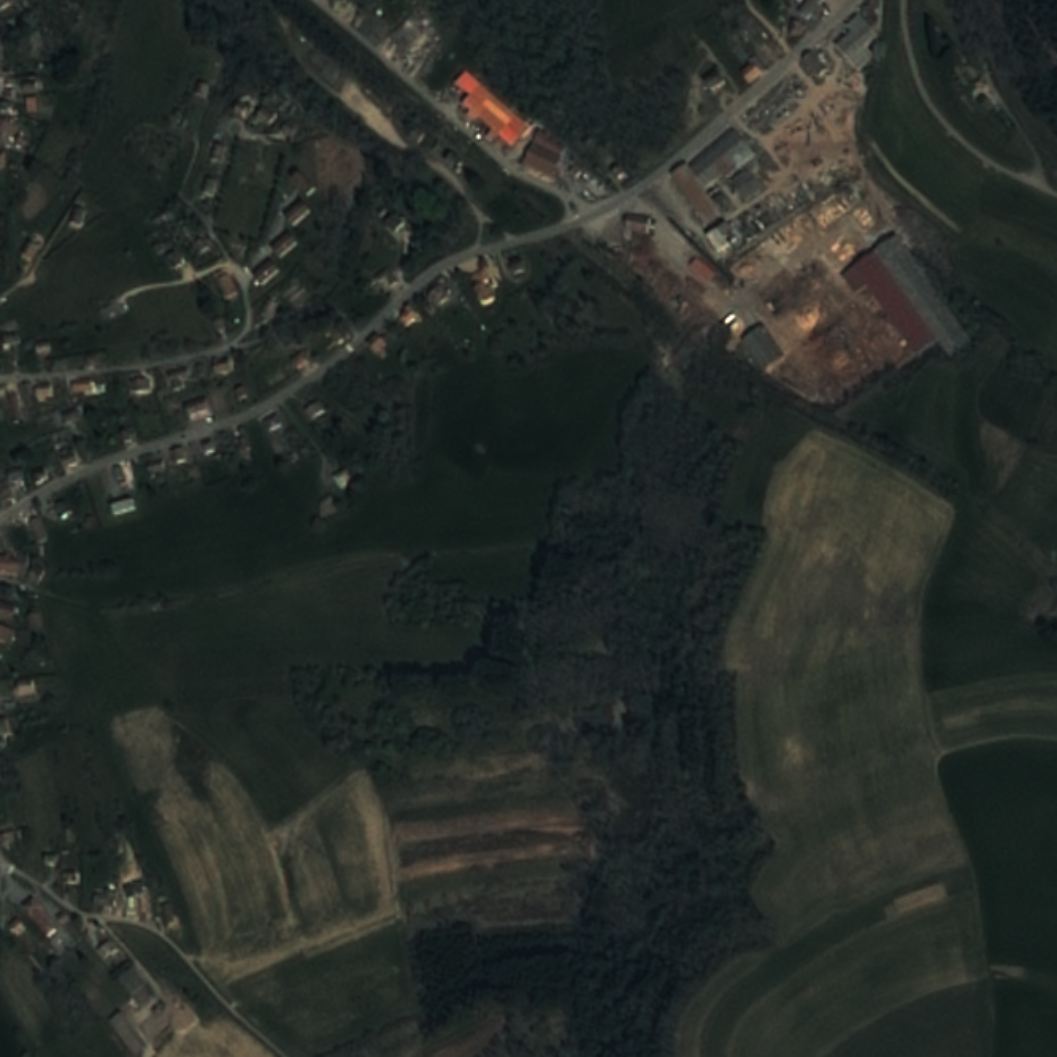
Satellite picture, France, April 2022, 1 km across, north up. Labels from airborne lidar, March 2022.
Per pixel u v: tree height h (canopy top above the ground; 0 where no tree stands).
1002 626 0
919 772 0
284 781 0
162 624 0
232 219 0
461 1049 0
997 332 16
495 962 10
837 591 0
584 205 0
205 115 0
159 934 0
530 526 0
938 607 0
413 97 0
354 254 15
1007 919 0
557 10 25
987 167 0
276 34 12
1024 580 0
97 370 0
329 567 0
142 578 0
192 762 0
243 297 0
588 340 19
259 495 0
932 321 0
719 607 8
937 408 0
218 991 0
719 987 0
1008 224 0
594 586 19
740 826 13
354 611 0
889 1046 0
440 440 0
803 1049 0
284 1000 0
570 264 12
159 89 0
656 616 17
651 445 20
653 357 0
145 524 0
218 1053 0
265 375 0
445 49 0
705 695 11
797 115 0
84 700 0
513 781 0
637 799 0
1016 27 22
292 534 0
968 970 0
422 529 0
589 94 22
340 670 6
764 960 0
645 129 21
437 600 8
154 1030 0
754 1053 0
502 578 0
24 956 7
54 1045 0
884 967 0
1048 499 0
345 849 0
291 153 0
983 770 0
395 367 0
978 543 0
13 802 0
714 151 0
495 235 12
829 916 0
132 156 13
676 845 15
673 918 16
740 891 20
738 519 0
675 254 0
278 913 0
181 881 0
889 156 0
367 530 0
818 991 0
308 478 0
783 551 0
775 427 0
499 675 29
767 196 0
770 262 0
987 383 0
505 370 0
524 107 19
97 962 0
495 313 0
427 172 22
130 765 0
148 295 0
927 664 0
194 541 0
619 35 0
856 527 0
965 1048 0
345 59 15
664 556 17
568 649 16
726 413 0
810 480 0
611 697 16
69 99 0
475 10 23
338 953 0
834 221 0
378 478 0
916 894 0
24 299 0
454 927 6
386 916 0
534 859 0
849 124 0
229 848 0
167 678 0
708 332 0
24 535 0
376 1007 0
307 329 15
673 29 0
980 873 0
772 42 0
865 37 0
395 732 10
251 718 0
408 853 0
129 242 0
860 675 0
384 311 0
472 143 0
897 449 14
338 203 19
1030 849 0
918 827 0
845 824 0
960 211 0
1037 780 0
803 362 0
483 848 0
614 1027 30
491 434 0
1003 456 0
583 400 0
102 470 0
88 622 0
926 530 0
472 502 0
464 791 0
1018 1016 0
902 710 0
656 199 0
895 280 0
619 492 20
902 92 0
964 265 0
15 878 0
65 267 0
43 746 0
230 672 0
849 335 0
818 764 0
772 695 0
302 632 0
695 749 24
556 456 0
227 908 0
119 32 0
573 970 22
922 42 0
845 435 8
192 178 0
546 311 19
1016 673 0
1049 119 23
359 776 0
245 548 0
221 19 16
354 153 14
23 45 14
